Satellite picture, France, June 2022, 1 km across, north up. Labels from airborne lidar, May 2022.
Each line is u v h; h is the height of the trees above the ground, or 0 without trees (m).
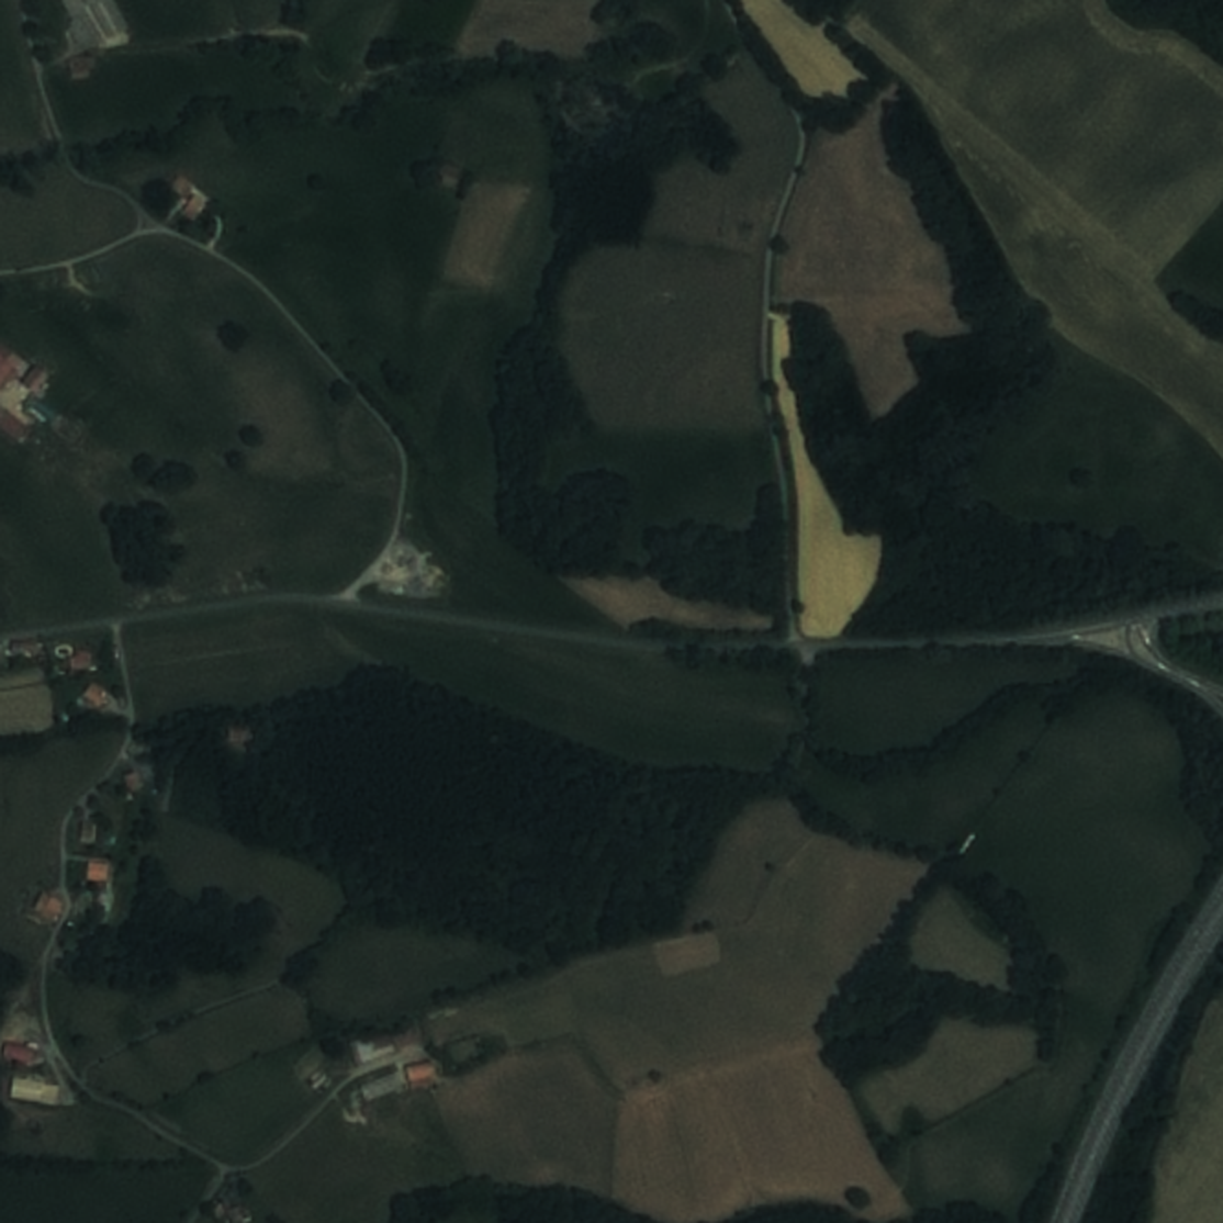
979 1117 0
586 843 21
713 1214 0
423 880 22
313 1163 0
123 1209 0
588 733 0
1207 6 26
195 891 0
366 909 12
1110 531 0
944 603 17
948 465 25
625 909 26
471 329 0
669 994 0
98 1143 0
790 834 0
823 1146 0
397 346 0
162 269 0
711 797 18
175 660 0
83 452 0
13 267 0
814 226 0
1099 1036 0
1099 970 0
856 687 0
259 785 14
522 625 0
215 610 0
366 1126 0
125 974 21
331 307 0
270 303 0
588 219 18
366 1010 0
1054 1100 0
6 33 0
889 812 0
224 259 0
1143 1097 9
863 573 0
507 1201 22
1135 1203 20
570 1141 0
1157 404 0
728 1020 0
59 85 0
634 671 0
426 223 0
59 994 0
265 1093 0
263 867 0
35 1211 0
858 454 32
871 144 0
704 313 0
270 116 9
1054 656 13
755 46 19
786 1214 19
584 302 0
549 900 23
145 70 0
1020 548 20
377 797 23
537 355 21
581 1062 0
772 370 0
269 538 0
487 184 0
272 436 0
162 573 26
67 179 0
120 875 11
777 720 0
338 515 0
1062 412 0
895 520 15
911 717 0
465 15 0
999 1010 21
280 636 0
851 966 0
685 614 0
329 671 0
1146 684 13
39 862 0
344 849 28
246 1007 0
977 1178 0
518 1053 0
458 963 0
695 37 0
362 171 0
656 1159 0
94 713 7
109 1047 0
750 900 0
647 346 0
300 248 0
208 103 9
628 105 31
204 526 0
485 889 18
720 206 0
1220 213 0
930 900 10
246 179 0
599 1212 24
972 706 0
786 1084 0
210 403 0
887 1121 0
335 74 0
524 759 21
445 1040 0
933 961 0
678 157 18
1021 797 0
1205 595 19
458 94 9
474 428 0
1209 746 16
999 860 0
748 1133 0
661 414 0
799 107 12
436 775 26
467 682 0
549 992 0
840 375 19
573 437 10
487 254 0
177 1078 0
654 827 26
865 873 0
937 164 15
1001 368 21
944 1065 0
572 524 24
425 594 0
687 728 0
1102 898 0
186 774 6
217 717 15
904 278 0
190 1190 0
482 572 0
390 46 12
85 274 0
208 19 0
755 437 0
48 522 0
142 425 0
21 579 0
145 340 0
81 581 0
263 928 20
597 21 14
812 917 0
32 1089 0
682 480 0
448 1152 0
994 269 16
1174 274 0
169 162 0
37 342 0
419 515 0
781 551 18
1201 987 7
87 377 0
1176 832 0
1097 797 0
